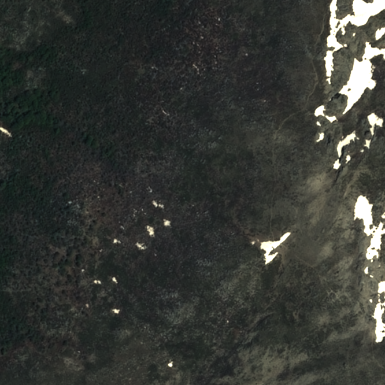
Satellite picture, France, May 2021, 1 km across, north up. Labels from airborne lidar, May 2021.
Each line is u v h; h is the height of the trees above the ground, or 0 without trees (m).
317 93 0
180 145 0
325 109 0
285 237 0
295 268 0
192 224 0
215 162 0
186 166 0
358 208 0
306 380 0
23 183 7
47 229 7
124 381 0
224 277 0
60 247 8
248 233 0
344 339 0
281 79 0
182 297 0
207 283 0
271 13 0
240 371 0
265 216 0
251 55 0
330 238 0
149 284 0
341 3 0
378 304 0
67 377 0
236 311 0
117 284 0
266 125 0
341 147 0
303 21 0
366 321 0
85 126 8
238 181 0
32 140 8
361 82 0
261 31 0
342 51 0
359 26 0
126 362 0
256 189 0
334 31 0
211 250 0
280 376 0
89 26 7
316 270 0
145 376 0
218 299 0
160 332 0
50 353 0
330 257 0
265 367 0
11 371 0
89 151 12
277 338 0
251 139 0
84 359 0
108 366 0
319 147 0
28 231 8
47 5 0
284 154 0
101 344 0
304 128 0
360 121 0
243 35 0
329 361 0
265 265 0
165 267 0
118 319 0
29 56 13
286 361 0
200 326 0
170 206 0
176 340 0
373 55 0
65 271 12
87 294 8
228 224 0
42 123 11
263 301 0
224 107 0
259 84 0
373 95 0
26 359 0
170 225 0
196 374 6
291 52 0
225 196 0
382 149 0
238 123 0
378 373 0
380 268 0
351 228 0
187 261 0
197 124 0
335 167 0
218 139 0
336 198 0
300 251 0
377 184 0
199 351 0
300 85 0
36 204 8
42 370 0
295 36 0
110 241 0
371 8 0
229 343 0
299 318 0
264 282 0
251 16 0
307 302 0
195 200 0
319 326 0
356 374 0
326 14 0
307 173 0
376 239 0
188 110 0
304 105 0
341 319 0
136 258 0
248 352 0
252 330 0
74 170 8
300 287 0
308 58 0
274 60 0
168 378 0
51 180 9
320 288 0
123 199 8
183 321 0
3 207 6
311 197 0
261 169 0
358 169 0
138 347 0
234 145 0
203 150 0
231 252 0
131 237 0
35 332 12
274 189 0
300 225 0
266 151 0
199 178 0
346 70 0
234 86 0
